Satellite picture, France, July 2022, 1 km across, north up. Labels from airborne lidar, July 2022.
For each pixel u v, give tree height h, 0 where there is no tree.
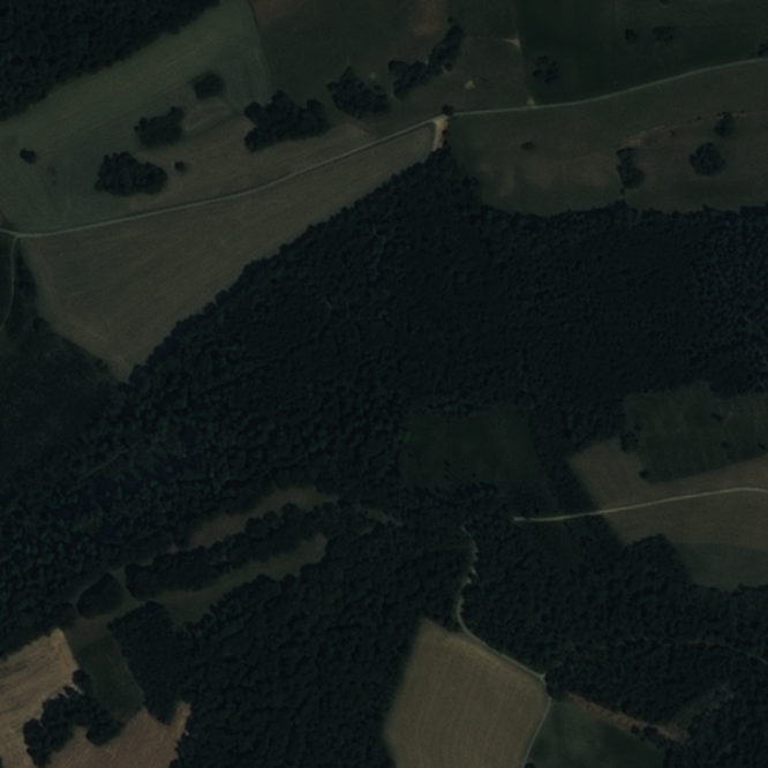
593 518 9
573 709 0
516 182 0
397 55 0
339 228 14
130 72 0
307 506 0
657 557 10
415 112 0
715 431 0
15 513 5
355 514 22
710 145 11
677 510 0
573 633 26
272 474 8
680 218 15
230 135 0
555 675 9
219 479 29
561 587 19
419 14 0
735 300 31
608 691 27
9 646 23
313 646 29
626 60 0
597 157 0
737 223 26
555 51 0
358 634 28
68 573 14
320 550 0
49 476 30
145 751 0
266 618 17
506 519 19
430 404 18
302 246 15
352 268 26
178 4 27
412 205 16
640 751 0
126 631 20
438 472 0
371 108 24
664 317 20
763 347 30
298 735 28
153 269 0
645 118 0
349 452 22
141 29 26
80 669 0
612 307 20
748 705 8
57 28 25
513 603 30
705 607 17
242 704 30
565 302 23
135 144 0
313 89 0
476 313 15
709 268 26
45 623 9
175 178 0
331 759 20
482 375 16
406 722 0
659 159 0
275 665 29
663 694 19
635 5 0
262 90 0
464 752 0
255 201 0
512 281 23
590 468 0
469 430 0
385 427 29
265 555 30
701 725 26
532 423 7
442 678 0
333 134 0
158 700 12
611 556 15
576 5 0
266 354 14
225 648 24
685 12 0
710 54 0
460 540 20
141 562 10
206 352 14
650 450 0
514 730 0
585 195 0
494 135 0
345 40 0
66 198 0
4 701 0
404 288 17
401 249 18
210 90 6
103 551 28
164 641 24
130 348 0
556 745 0
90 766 0
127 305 0
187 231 0
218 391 16
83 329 0
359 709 25
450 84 0
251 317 14
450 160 27
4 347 0
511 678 0
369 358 18
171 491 28
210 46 0
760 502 0
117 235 0
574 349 21
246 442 24
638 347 19
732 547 0
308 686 26
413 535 17
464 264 22
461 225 14
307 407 18
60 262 0
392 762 20
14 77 26
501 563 28
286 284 14
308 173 0
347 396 22
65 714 9
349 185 0
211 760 31
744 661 22
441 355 16
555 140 0
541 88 0
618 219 28
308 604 26
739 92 0
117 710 0
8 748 0
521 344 21
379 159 0
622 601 27
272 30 0
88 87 0
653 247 16
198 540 0
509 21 0
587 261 20
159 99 0
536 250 28
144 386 31
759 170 0
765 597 17
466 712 0
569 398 20
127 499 30
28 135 0
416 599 30
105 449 28
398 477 35
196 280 0
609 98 0
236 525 0
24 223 0
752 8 0
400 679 23
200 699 22
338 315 16
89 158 0
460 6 0
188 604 0
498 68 0
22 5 21
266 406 17
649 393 13
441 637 0
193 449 30
